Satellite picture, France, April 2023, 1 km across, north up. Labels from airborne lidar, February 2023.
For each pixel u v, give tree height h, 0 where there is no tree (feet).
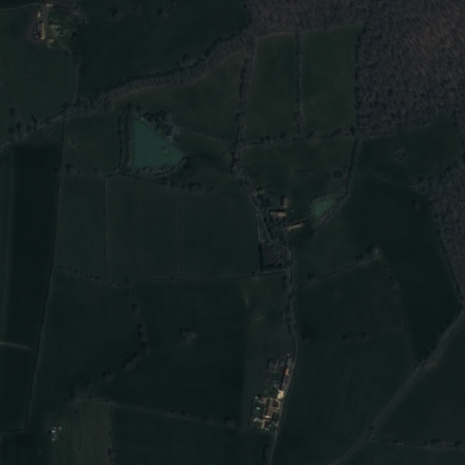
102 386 0
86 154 0
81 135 0
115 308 0
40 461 0
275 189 0
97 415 0
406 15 76
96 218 0
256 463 0
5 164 0
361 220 0
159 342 0
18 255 0
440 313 0
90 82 0
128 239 0
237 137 18
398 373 0
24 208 0
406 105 72
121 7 0
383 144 0
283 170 0
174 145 0
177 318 0
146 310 0
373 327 0
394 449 0
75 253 0
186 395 0
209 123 0
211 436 0
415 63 72
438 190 58
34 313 0
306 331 0
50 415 0
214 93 0
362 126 50
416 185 20
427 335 0
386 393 0
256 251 0
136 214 0
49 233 0
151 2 0
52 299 0
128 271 0
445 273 0
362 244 0
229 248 0
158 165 0
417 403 0
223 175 0
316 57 0
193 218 0
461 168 65
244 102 28
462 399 0
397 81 85
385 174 0
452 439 0
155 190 0
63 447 0
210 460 0
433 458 0
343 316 0
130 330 0
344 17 45
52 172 0
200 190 56
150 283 0
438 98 72
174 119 0
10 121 0
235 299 0
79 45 0
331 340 0
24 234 0
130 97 0
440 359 0
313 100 0
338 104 0
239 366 0
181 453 0
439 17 81
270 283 0
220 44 52
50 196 0
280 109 0
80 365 0
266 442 0
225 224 0
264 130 0
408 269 0
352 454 0
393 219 0
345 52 0
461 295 61
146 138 0
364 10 68
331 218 20
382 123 74
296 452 0
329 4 65
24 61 0
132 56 0
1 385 0
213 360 0
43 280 0
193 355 0
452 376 0
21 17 0
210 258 0
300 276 0
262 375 0
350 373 0
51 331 0
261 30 60
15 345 0
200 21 0
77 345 0
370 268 0
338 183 0
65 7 0
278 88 0
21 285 0
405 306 0
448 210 49
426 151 0
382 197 0
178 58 0
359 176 0
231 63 0
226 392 0
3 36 0
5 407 0
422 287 0
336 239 0
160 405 0
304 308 0
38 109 0
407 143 0
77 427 0
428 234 0
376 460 0
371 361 0
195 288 0
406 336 0
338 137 53
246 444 0
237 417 0
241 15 0
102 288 0
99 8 0
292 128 0
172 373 0
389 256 0
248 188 52
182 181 0
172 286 0
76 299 0
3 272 0
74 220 0
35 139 0
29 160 0
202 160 0
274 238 40
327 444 0
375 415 0
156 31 0
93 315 0
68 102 0
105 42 0
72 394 0
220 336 0
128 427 0
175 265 0
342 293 0
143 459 0
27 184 0
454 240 65
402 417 0
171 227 0
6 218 0
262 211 27
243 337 0
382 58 76
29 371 0
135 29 0
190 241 0
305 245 0
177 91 0
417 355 0
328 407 0
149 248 0
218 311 0
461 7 79
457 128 61
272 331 0
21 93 0
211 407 0
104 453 0
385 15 57
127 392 0
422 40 63
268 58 0
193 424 0
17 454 0
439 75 74
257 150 0
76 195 0
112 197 0
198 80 53
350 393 0
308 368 0
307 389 0
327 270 0
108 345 0
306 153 0
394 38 77
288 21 73
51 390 0
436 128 0
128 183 0
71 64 0
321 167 0
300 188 0
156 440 0
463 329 0
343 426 0
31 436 0
